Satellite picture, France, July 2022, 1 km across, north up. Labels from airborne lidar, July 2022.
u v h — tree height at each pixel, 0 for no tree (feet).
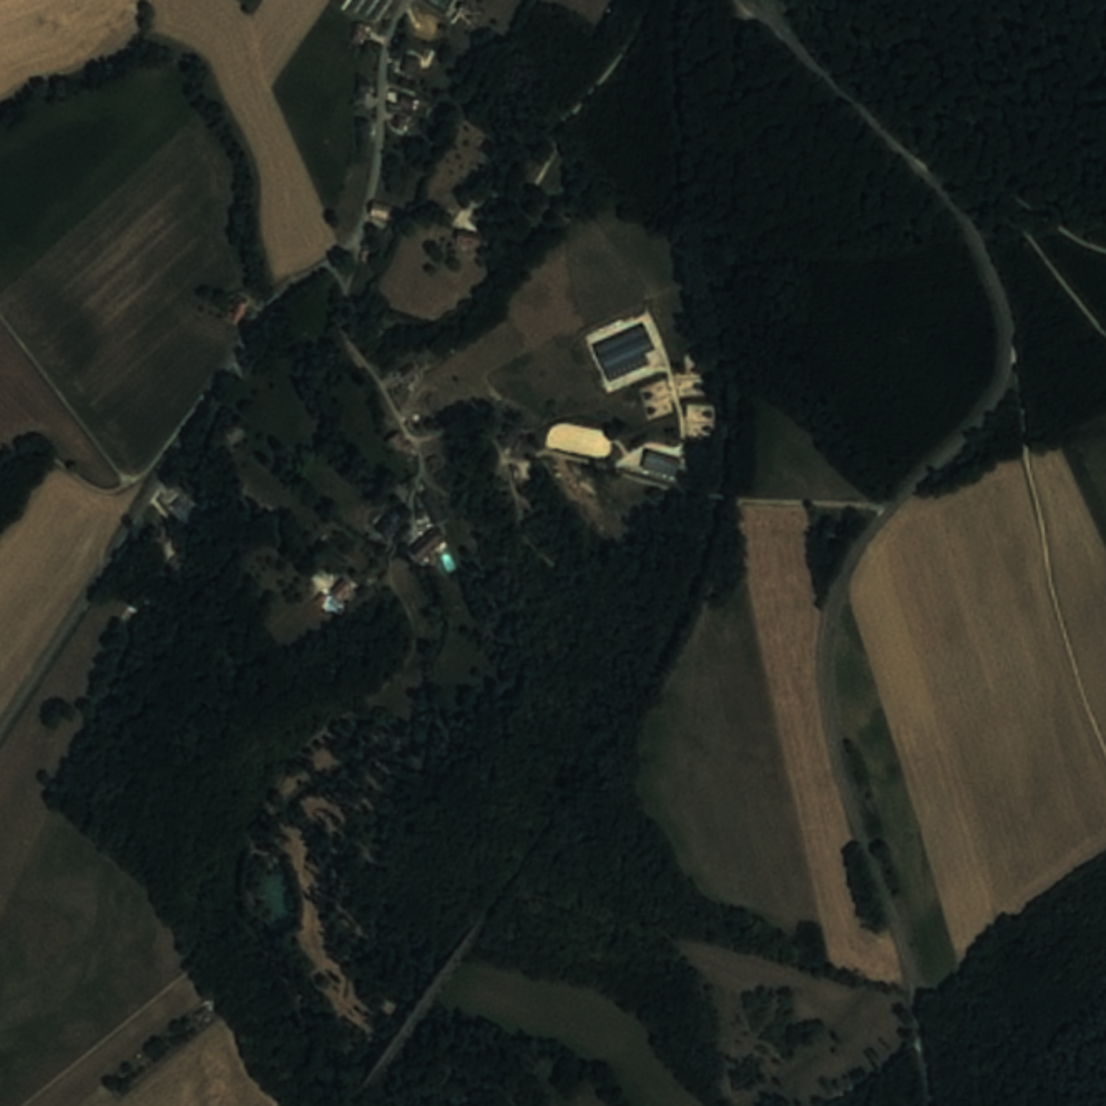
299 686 68
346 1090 76
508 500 33
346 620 35
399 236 20
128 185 0
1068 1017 35
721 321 72
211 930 68
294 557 52
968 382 23
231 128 43
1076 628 0
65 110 0
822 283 21
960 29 99
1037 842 0
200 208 0
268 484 0
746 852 0
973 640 0
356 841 84
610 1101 52
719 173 95
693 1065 33
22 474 66
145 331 0
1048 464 0
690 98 89
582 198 66
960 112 93
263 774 50
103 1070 0
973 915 0
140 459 0
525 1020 0
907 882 0
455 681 0
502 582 55
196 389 0
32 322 0
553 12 27
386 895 47
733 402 57
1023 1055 58
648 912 66
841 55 89
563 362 0
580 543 66
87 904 0
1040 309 33
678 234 100
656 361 0
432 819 75
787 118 93
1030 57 108
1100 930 18
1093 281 18
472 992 0
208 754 75
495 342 0
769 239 95
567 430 0
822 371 27
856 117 63
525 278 60
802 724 0
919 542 0
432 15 0
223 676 91
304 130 0
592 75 20
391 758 36
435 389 0
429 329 51
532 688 63
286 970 73
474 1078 61
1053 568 0
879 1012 0
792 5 78
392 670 81
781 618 0
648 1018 58
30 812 0
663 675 76
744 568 68
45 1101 0
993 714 0
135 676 84
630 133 21
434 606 38
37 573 0
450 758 60
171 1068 0
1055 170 87
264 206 0
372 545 27
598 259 0
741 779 0
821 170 91
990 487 0
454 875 51
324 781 93
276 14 0
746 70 81
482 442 71
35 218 0
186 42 0
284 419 0
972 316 20
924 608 0
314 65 0
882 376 26
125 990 0
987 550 0
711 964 0
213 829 73
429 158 25
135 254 0
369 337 31
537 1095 71
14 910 0
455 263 28
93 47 0
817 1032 51
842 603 0
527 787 65
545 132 62
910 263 20
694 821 0
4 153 0
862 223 94
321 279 43
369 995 66
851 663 0
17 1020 0
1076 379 40
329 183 0
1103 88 78
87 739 50
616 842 65
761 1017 18
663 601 69
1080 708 0
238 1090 0
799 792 0
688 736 0
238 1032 57
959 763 0
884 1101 31
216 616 82
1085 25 83
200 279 0
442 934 61
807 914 0
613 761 73
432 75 0
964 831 0
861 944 0
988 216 85
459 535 0
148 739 83
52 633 0
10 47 0
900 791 0
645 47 33
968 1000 50
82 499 0
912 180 78
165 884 70
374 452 0
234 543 81
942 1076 68
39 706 0
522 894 58
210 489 82
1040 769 0
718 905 37
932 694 0
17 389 0
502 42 55
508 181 70
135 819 66
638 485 0
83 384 0
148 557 64
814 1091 0
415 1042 49
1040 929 42
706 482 76
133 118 0
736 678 0
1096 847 0
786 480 0
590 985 72
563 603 33
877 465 30
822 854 0
